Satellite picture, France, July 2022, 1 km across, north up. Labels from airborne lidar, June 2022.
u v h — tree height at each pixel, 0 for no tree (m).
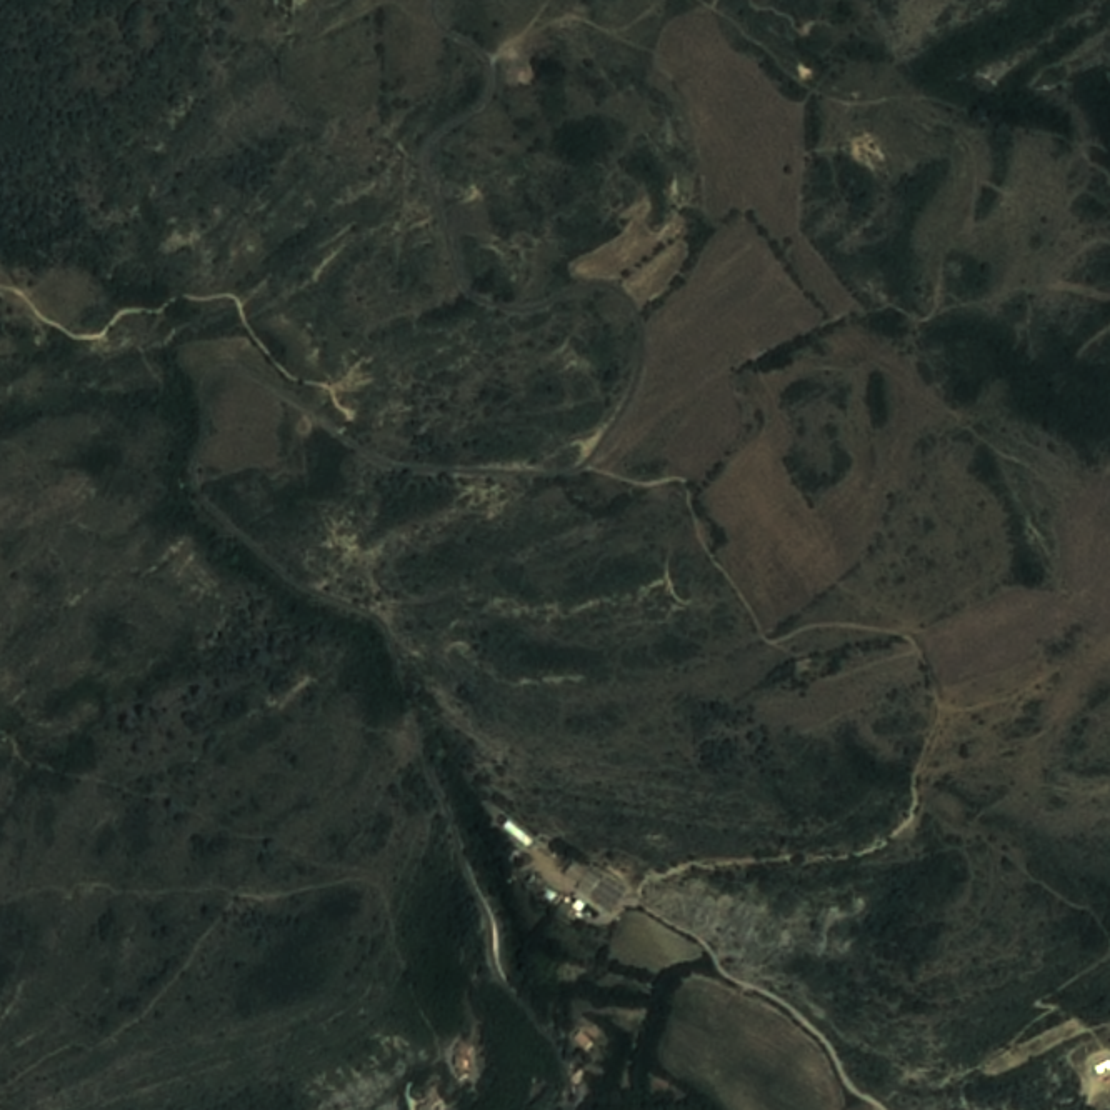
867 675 0
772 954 0
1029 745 0
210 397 0
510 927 8
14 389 0
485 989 9
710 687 0
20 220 9
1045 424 7
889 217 0
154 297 9
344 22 0
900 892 8
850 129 0
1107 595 0
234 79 0
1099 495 0
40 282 0
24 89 13
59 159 9
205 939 0
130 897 0
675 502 0
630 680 0
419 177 0
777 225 0
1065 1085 8
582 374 0
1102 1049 0
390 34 0
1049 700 0
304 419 0
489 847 13
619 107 0
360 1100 0
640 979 12
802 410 0
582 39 0
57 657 0
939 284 0
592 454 0
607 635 0
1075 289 0
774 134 0
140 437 0
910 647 0
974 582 0
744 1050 0
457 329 0
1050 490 0
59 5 6
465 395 0
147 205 6
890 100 0
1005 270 0
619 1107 8
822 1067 0
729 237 0
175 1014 0
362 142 0
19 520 0
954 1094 6
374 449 0
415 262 0
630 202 0
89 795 0
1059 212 0
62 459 0
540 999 9
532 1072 6
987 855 0
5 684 0
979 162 0
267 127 0
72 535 0
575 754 0
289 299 0
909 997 6
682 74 0
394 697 9
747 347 0
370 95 0
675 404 0
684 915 0
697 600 0
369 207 0
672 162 0
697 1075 0
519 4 0
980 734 0
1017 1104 8
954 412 0
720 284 0
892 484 0
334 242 0
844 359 0
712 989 0
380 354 0
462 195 0
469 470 0
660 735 0
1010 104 5
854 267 0
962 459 0
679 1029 0
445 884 8
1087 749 0
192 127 0
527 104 0
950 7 0
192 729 7
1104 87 8
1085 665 0
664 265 0
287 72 0
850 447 0
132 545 0
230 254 0
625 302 0
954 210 0
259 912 8
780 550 0
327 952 0
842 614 0
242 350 0
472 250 0
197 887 0
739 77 0
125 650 0
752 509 0
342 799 0
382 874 0
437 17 0
